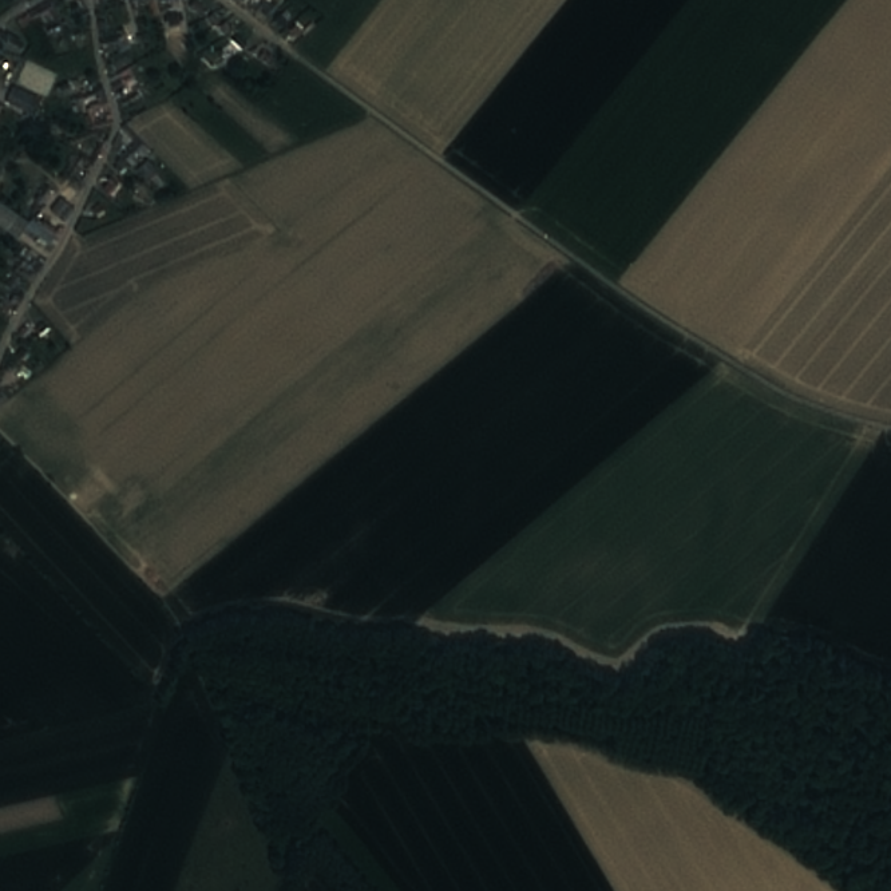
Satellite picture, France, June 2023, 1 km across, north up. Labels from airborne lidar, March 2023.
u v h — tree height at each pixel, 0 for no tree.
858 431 0
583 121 0
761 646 25
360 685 23
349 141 0
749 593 0
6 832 0
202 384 0
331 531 0
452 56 0
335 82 0
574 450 0
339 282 0
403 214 0
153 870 0
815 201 0
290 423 0
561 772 0
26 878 0
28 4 0
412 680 27
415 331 0
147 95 0
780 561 0
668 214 0
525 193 0
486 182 0
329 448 0
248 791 15
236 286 0
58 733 0
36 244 0
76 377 0
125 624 0
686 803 0
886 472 0
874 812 34
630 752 28
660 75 0
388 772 0
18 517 0
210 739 0
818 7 0
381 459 0
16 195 9
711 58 0
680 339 0
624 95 0
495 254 0
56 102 0
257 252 0
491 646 27
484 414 0
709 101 0
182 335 0
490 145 0
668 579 0
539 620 0
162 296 0
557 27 0
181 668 13
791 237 0
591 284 0
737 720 27
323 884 0
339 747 22
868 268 0
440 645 25
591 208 0
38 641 0
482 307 0
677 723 26
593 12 0
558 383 0
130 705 0
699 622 0
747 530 0
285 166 0
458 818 0
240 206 0
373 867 0
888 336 0
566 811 0
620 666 0
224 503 0
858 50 0
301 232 0
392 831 0
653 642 16
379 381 0
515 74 0
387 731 0
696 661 26
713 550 0
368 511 0
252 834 0
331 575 0
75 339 0
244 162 0
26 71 0
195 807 0
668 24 0
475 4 0
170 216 0
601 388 0
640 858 0
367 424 0
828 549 0
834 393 0
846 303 0
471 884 0
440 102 0
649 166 0
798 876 0
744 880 0
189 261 0
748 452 0
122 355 0
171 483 0
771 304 0
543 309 0
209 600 0
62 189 0
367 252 0
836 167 0
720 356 0
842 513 0
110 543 0
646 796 0
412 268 0
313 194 0
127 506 0
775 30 0
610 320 0
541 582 0
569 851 0
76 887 0
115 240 0
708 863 0
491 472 0
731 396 0
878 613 0
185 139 0
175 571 0
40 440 0
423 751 0
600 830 0
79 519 0
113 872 0
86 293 0
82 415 0
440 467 0
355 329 0
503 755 0
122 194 0
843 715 29
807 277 0
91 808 0
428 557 0
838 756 34
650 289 0
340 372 0
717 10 0
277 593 0
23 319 0
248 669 25
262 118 0
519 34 0
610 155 0
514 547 0
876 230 0
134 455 0
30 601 0
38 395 0
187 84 11
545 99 0
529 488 0
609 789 0
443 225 0
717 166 0
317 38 0
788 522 0
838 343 0
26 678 0
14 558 0
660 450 0
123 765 0
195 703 0
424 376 0
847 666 27
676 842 0
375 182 0
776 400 0
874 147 0
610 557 0
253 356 0
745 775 27
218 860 0
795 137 0
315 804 25
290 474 0
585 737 29
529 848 0
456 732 28
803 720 28
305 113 0
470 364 0
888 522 0
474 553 0
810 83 0
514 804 0
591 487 0
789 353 0
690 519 0
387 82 0
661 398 0
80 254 0
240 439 0
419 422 0
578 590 0
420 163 0
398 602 0
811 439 0
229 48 0
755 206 0
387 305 0
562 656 23
